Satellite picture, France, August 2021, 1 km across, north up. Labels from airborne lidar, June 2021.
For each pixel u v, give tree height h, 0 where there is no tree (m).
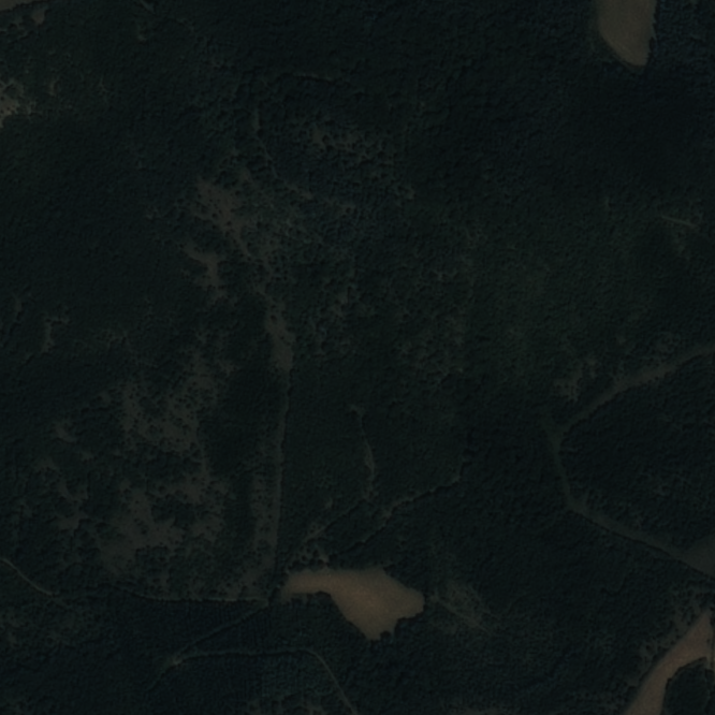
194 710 6
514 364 8
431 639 10
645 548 7
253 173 9
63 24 10
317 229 7
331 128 9
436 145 17
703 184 13
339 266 9
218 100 9
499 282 7
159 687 10
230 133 10
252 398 7
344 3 11
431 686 16
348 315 7
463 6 15
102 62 14
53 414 9
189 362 6
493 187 10
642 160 18
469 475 14
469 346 13
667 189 10
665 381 6
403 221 8
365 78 15
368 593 0
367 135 9
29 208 14
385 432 12
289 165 15
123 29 15
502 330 6
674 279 9
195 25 11
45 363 11
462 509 12
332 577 0
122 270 9
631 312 9
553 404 8
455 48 19
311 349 13
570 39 19
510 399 18
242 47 13
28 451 12
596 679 9
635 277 7
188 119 17
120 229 12
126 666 11
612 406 8
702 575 8
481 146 10
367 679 19
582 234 9
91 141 15
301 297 9
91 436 10
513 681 6
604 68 17
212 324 6
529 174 16
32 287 10
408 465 9
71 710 11
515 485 16
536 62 20
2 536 14
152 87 17
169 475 9
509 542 12
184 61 7
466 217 8
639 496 8
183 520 11
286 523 9
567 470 9
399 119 11
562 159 13
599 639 7
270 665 11
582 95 17
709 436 8
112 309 8
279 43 17
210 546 6
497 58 16
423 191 16
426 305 9
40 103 9
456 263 8
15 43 8
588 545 10
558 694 7
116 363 9
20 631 7
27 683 13
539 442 17
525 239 8
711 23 17
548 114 11
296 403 12
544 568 16
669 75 18
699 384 8
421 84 6
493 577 18
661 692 0
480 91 18
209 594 5
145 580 8
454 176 17
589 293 8
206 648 10
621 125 20
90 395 9
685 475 6
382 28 20
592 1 12
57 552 7
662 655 6
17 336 10
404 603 0
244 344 6
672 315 9
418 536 12
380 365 11
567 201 14
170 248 9
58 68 9
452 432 18
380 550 14
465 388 18
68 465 11
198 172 8
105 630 6
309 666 9
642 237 6
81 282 9
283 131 12
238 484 6
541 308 8
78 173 17
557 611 18
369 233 10
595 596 14
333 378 8
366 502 8
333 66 13
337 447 9
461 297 10
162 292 10
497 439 24
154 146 11
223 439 8
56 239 12
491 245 7
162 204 9
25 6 8
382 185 7
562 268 6
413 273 9
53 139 14
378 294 12
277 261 6
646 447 9
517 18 20
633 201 9
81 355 9
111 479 7
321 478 8
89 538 9
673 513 7
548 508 17
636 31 0
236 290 6
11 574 8
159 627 7
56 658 11
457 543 9
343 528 10
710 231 8
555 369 7
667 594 7
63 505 13
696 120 17
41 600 7
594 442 10
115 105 12
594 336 5
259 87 14
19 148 11
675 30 17
